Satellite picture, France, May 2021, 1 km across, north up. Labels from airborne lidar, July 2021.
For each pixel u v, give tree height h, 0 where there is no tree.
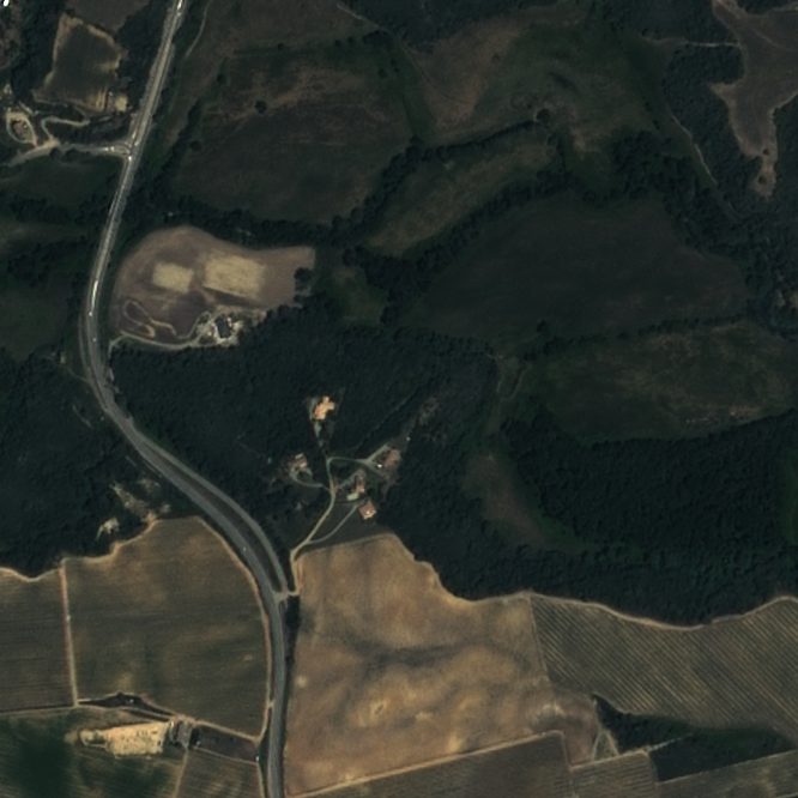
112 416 0
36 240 0
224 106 0
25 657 0
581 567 6
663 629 0
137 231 11
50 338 0
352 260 14
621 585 6
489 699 0
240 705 0
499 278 0
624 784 0
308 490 0
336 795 0
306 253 0
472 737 0
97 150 0
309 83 0
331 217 0
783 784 0
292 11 0
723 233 13
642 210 0
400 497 7
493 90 0
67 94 0
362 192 0
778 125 7
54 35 8
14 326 0
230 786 0
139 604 0
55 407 6
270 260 0
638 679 0
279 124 0
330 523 0
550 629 0
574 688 0
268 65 0
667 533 25
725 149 6
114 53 0
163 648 0
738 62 9
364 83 0
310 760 0
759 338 0
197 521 0
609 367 0
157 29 6
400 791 0
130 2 0
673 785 0
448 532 9
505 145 0
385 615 0
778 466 23
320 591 0
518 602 0
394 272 24
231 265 0
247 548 0
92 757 0
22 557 9
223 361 7
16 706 0
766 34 0
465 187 0
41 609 0
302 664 0
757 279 14
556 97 0
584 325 0
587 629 0
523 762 0
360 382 6
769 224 9
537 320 0
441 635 0
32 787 0
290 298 0
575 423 0
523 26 0
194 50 0
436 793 0
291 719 0
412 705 0
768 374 0
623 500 16
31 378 9
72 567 0
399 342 15
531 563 13
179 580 0
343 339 9
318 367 8
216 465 10
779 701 0
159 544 0
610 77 0
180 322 0
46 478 12
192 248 0
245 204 0
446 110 0
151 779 0
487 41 0
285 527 0
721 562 10
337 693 0
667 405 0
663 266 0
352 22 0
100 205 13
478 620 0
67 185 0
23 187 0
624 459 26
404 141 0
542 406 8
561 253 0
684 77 6
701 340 0
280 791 0
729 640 0
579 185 17
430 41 6
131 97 8
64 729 0
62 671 0
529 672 0
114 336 0
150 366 10
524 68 0
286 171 0
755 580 11
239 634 0
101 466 15
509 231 0
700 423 0
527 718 0
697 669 0
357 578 0
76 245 14
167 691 0
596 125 0
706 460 28
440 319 0
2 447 9
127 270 0
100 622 0
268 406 6
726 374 0
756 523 23
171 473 0
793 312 7
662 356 0
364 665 0
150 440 0
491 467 0
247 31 0
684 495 10
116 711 0
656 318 0
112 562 0
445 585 7
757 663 0
